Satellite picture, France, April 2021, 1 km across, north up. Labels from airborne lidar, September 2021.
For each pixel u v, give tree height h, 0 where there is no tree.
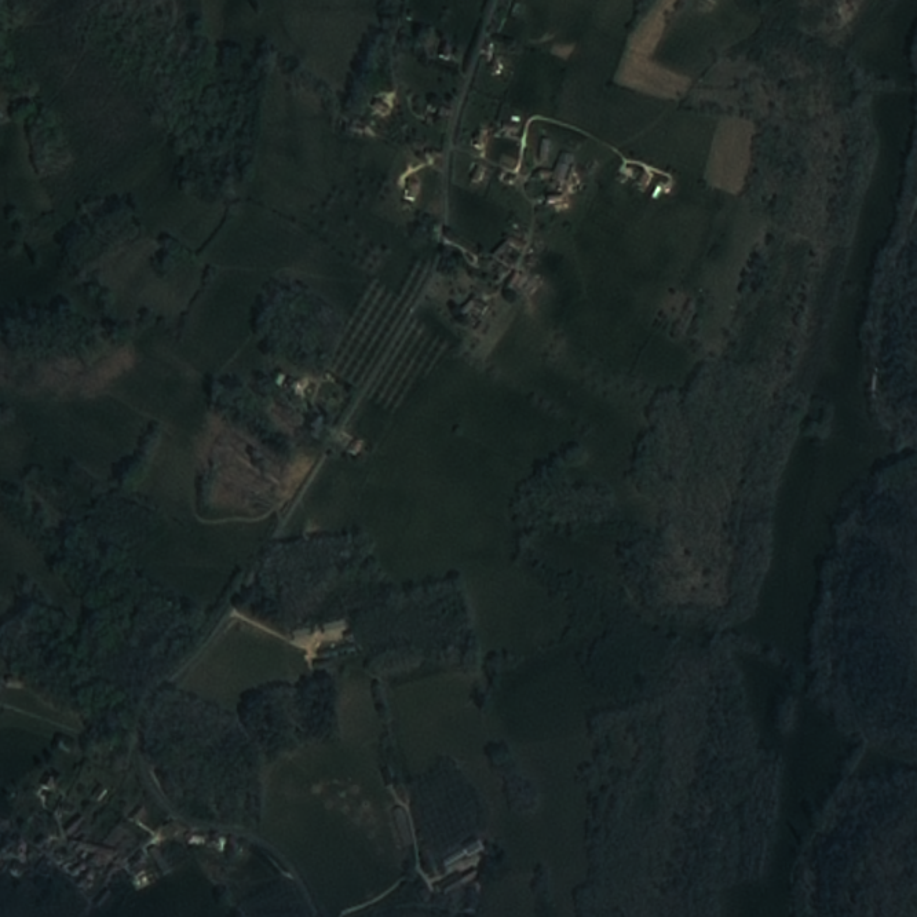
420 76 0
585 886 7
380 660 22
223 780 20
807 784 0
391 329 6
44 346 27
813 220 13
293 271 0
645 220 0
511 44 11
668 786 17
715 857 22
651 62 0
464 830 14
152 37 13
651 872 15
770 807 29
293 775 0
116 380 0
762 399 14
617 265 0
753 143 8
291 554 15
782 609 0
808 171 9
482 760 0
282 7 0
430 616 18
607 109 0
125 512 10
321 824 0
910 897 20
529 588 0
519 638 0
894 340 17
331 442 19
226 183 22
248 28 0
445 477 0
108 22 12
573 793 0
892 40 0
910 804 19
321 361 17
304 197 0
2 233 0
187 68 21
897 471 19
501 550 0
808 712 0
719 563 9
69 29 10
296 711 16
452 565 0
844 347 0
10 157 0
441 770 11
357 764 0
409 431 0
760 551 24
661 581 16
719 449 20
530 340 0
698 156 0
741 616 21
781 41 6
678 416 20
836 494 0
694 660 9
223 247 0
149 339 0
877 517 18
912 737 20
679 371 0
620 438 0
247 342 0
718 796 17
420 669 10
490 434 0
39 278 0
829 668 18
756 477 22
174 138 16
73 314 20
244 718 16
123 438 0
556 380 0
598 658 8
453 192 0
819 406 9
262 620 19
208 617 13
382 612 17
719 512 11
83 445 0
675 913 14
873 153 16
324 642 0
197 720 16
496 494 0
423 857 6
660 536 13
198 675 0
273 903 11
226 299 0
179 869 0
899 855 14
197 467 0
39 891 11
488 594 0
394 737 10
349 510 0
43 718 0
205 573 0
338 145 0
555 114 0
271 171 0
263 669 0
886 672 22
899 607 15
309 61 0
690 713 16
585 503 20
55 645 22
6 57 21
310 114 0
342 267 0
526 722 0
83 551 26
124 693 19
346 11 0
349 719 0
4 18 25
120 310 0
